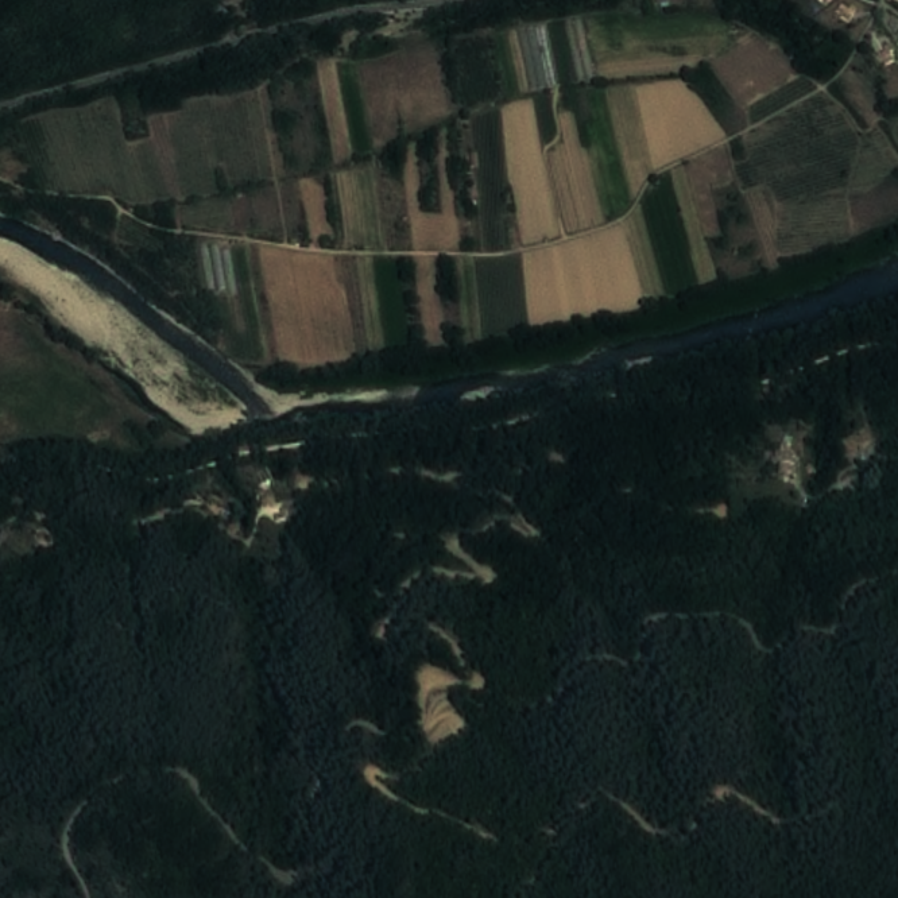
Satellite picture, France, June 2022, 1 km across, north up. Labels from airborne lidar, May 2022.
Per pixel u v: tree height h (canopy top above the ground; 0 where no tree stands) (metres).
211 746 14
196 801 11
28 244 0
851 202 0
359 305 0
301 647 18
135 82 16
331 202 12
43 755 17
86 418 0
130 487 21
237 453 6
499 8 12
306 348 0
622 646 18
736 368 24
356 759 20
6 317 0
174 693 17
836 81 0
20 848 7
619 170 0
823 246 9
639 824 6
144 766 17
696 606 7
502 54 0
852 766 21
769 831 19
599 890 18
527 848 19
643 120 0
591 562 10
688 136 0
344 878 9
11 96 8
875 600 19
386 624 0
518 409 18
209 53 19
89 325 0
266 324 0
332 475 18
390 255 0
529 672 17
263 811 16
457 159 7
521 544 22
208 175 0
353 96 0
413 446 17
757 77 0
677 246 0
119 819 12
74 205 8
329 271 0
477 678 0
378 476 19
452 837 14
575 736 23
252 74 15
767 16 9
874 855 15
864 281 0
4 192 6
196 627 22
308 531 15
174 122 0
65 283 0
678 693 14
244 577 19
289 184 0
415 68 0
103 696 22
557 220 0
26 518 11
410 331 9
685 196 0
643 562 11
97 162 0
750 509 9
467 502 20
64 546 9
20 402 0
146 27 8
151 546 23
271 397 0
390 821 20
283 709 6
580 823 12
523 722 17
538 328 9
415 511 17
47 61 12
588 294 0
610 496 23
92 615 22
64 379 0
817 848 20
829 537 7
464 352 20
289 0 15
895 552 10
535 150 0
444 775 14
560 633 16
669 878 16
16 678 21
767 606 14
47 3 11
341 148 0
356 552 20
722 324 0
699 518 15
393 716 22
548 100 0
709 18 0
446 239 0
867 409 9
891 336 20
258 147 0
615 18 0
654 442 12
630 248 0
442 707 0
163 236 7
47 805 11
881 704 17
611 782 14
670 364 14
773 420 8
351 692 16
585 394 17
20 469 17
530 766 20
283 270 0
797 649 14
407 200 0
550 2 11
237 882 6
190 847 14
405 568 16
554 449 24
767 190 0
